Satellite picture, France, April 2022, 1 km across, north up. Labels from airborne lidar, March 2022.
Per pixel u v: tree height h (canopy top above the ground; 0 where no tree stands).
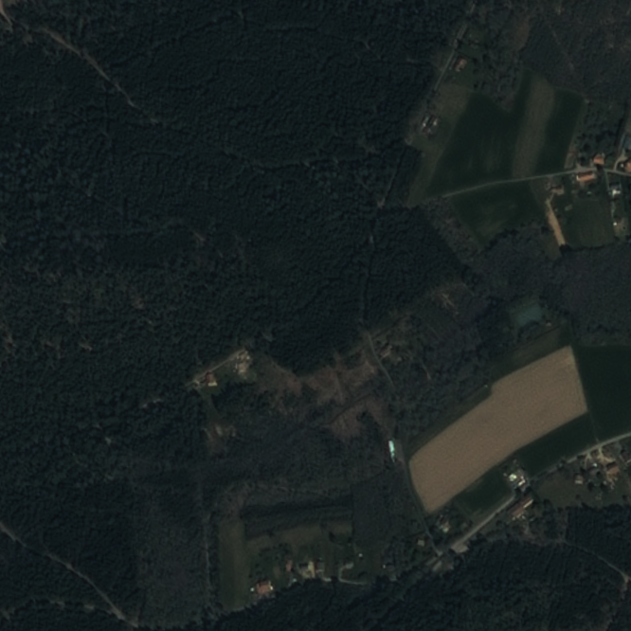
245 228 19
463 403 7
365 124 10
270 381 0
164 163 24
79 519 16
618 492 0
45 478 19
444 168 0
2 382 21
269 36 20
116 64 16
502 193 0
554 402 0
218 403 0
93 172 19
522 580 9
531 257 19
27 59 9
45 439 21
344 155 16
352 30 17
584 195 12
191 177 27
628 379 0
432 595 22
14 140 16
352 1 32
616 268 17
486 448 0
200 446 29
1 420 27
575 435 0
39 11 12
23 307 25
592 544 15
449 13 31
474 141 0
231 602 0
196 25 17
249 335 27
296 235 23
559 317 17
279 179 23
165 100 28
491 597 25
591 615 12
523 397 0
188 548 15
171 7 16
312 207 21
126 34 10
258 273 27
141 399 24
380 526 10
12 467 30
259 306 31
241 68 23
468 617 14
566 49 8
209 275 10
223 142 24
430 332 15
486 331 22
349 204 23
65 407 10
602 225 0
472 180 0
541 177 0
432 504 0
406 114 23
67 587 23
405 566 13
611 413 0
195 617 16
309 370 33
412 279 30
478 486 0
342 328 29
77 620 12
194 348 27
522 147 0
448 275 31
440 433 0
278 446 15
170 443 31
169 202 20
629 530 28
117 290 26
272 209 22
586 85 9
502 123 0
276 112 25
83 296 8
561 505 0
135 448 21
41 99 9
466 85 0
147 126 16
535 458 0
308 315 25
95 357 16
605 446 0
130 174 23
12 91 14
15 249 18
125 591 18
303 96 23
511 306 16
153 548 16
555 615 11
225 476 13
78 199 24
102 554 17
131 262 16
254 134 27
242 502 0
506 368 0
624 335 18
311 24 21
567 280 19
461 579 20
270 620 17
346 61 22
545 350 0
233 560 0
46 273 10
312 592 13
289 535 0
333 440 15
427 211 8
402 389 18
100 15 34
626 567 12
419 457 0
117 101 18
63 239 19
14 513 20
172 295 25
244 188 22
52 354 20
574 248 0
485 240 0
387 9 28
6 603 15
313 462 17
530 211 0
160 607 18
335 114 20
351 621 12
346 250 21
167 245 18
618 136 11
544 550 11
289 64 22
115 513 12
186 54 14
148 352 23
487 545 23
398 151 16
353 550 0
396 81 25
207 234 24
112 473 8
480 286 24
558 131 0
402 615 22
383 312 30
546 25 6
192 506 12
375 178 30
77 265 23
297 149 26
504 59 13
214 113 24
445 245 11
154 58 9
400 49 25
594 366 0
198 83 22
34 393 23
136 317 28
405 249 30
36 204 18
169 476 15
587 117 6
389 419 0
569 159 0
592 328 16
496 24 19
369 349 0
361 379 0
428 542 11
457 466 0
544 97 0
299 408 13
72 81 10
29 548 16
